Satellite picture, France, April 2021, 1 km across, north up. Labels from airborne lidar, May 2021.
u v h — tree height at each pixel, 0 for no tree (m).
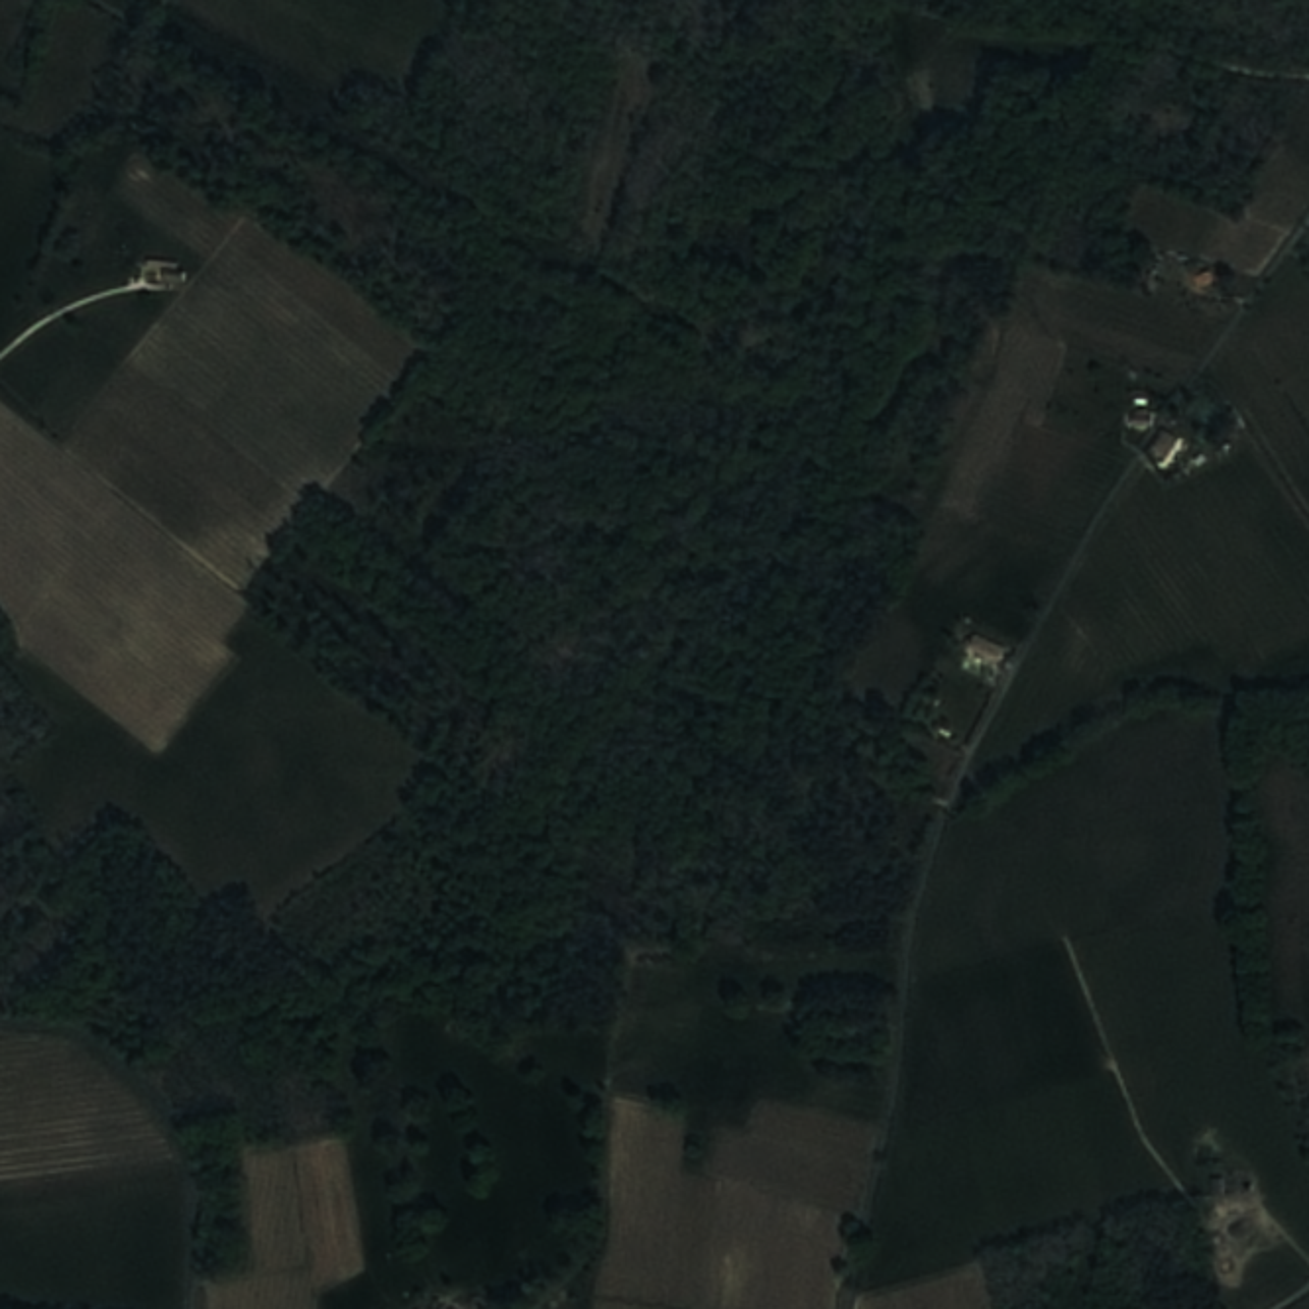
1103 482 0
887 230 27
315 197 5
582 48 15
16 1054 0
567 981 21
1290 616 0
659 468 16
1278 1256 0
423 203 15
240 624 0
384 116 22
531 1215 0
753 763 18
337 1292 0
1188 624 0
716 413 24
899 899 21
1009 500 0
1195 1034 0
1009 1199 0
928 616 0
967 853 0
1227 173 7
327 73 0
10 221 0
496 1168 19
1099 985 0
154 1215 0
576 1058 0
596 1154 19
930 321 20
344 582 16
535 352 17
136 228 0
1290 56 10
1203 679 0
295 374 0
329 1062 21
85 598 0
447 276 15
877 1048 17
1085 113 23
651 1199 0
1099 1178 0
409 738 10
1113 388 0
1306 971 0
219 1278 19
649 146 18
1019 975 0
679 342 17
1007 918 0
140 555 0
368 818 0
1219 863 0
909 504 0
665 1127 0
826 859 22
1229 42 12
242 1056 22
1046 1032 0
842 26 25
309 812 0
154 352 0
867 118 27
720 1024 0
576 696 18
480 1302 0
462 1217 0
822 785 12
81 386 0
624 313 13
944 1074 0
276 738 0
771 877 16
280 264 0
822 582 18
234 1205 16
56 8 12
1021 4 22
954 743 6
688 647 24
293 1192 0
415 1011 7
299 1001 13
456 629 23
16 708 8
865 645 23
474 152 19
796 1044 16
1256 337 0
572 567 14
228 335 0
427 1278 0
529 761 17
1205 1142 0
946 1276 0
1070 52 0
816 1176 0
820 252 21
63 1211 0
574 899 25
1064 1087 0
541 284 15
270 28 0
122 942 23
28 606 0
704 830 25
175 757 0
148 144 12
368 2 0
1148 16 12
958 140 29
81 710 0
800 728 22
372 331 0
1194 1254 15
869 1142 0
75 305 0
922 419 15
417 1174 16
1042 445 0
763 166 22
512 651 17
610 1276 0
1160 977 0
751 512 24
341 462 0
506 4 19
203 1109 17
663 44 14
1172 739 0
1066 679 0
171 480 0
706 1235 0
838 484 27
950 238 21
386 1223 0
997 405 0
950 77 0
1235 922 22
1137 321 0
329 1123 22
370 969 7
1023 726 0
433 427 21
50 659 0
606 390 16
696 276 22
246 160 17
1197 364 0
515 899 27
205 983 22
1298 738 26
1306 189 0
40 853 24
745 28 20
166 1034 24
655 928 12
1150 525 0
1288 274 0
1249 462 0
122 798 0
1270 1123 0
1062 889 0
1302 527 0
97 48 0
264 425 0
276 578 16
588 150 18
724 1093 0
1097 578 0
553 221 10
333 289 0
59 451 0
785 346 23
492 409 18
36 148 12
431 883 14
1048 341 0
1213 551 0
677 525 13
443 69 14
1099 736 17
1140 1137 0
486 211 17
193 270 0
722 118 10
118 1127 0
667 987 0
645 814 22
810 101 18
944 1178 0
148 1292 0
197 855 0
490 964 25
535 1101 0
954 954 0
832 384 27
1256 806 14
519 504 23
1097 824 0
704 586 29
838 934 7
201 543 0
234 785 0
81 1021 19
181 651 0
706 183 17
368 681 7
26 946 13
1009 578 0
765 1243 0
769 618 31
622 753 29
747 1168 0
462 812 25
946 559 0
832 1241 0
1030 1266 13
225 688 0
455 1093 15
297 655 11
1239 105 9
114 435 0
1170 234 0
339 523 21
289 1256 0
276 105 20
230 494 0
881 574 19
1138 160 13
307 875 0
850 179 30
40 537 0
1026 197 19
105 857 18
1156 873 0
